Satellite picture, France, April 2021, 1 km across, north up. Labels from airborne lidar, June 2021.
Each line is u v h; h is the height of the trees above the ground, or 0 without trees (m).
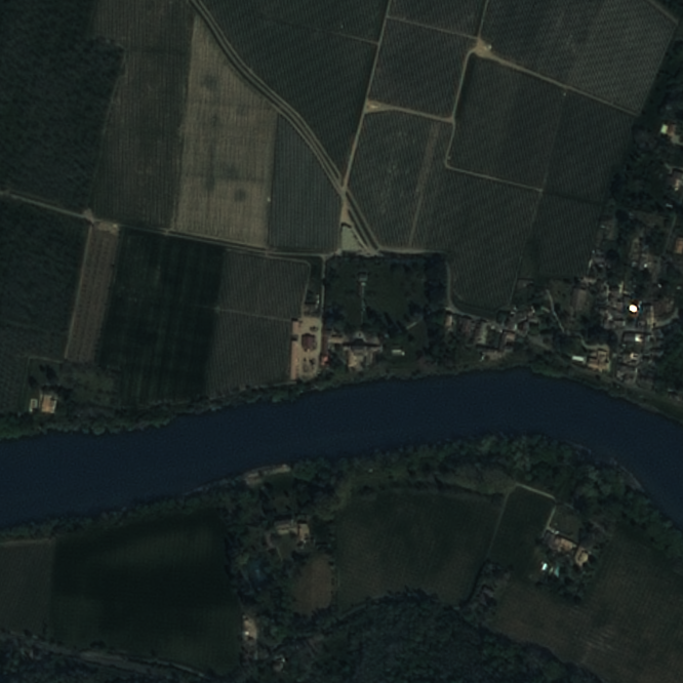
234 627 0
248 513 21
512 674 7
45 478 0
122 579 0
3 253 7
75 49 12
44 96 8
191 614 0
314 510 8
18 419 10
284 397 11
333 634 14
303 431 0
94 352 6
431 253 0
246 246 0
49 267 13
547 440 13
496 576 15
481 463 29
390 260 11
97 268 6
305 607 0
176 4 0
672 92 10
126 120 0
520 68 0
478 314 0
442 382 0
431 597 8
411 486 13
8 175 8
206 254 0
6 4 8
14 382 8
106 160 0
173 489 0
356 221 0
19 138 9
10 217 7
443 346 12
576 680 23
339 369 16
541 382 0
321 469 13
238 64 0
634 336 0
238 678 17
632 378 0
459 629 19
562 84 0
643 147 18
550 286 8
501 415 0
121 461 0
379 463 24
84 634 0
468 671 16
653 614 0
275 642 18
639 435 0
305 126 0
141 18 0
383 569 0
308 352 0
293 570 21
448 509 0
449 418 0
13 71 12
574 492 7
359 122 0
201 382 0
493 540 0
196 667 0
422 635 21
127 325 0
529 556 0
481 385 0
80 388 14
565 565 7
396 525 0
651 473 0
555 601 0
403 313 0
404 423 0
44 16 12
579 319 7
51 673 23
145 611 0
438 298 22
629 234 19
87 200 10
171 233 0
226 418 0
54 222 10
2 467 0
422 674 20
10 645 14
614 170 0
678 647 0
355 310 0
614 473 14
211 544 0
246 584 15
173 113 0
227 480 8
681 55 11
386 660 16
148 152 0
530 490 0
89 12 10
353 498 18
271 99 0
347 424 0
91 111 11
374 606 10
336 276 10
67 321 11
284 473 0
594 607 0
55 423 18
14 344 9
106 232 0
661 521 15
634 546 0
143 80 0
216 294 0
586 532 9
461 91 0
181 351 0
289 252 0
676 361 17
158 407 7
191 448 0
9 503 0
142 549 0
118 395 10
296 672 19
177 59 0
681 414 0
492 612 10
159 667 6
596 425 0
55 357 8
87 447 0
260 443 0
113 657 0
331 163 0
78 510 0
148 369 0
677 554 20
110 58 14
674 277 15
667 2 7
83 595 0
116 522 10
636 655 0
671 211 12
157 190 0
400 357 0
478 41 0
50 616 0
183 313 0
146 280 0
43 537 14
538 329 14
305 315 0
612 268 7
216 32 0
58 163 12
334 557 19
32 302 11
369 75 0
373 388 0
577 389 0
